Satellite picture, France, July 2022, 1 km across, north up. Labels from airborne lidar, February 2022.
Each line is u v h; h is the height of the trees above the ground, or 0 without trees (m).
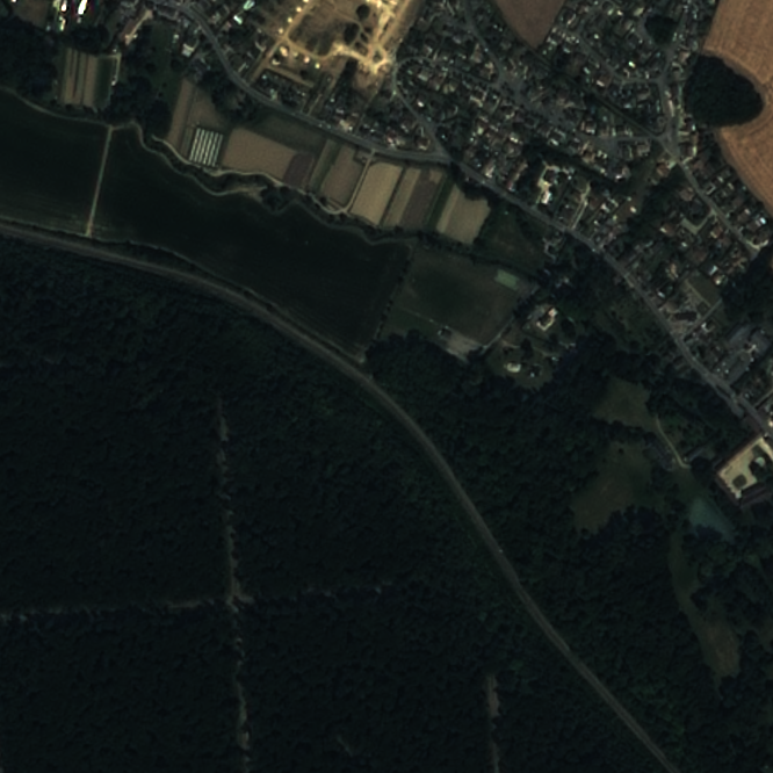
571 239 21
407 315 0
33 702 28
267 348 9
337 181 0
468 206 0
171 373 26
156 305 13
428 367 30
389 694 28
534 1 0
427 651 26
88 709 26
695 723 28
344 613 25
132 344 19
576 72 0
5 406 26
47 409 26
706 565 16
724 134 0
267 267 0
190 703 30
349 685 26
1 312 20
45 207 0
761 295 24
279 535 26
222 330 22
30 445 29
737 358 0
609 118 0
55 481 25
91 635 28
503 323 0
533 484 31
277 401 20
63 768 28
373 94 0
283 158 0
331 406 12
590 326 26
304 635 28
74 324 23
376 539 24
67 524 27
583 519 0
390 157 0
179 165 6
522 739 28
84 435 29
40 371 27
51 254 10
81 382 29
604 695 0
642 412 0
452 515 9
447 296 0
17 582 26
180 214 0
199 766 22
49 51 22
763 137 0
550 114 0
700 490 0
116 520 25
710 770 23
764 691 11
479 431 29
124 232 0
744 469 0
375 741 25
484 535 0
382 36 0
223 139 0
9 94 0
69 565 30
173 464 21
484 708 26
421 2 0
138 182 0
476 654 24
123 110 22
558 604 28
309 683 29
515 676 26
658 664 29
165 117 31
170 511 28
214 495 27
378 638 29
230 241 0
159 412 27
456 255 0
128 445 25
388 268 0
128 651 27
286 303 0
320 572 29
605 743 19
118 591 27
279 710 7
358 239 0
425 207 0
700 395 12
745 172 0
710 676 34
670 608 32
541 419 33
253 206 0
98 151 0
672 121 0
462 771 28
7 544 22
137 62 18
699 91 18
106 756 24
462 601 17
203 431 23
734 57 0
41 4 0
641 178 0
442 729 26
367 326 0
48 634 28
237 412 22
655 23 15
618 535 27
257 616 27
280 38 0
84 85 0
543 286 17
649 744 0
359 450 15
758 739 18
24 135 0
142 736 27
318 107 0
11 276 12
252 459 26
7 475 27
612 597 26
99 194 0
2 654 14
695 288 0
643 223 6
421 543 13
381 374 7
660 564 19
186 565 24
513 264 0
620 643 24
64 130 0
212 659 26
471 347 0
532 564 31
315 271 0
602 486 0
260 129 0
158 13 9
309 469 25
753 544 18
